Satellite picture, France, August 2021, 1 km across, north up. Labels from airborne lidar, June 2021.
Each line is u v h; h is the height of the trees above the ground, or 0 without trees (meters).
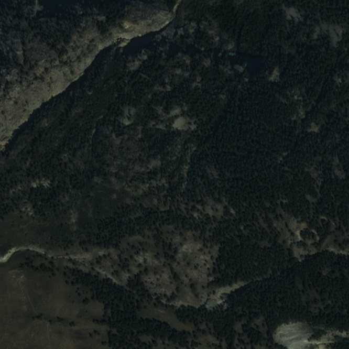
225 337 20
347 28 6
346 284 18
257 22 6
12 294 0
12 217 0
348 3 9
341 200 25
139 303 22
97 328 0
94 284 21
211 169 10
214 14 14
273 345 16
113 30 0
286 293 19
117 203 0
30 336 0
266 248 15
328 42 10
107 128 6
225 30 6
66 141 7
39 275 0
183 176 7
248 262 22
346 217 25
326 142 15
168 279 0
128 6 6
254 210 19
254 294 28
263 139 17
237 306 19
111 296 24
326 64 18
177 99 9
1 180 12
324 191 26
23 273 0
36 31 11
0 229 0
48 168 7
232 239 24
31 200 13
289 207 24
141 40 0
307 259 27
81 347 0
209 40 11
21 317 0
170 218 20
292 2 12
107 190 0
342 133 22
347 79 6
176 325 0
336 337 9
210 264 0
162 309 0
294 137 20
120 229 12
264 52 15
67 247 6
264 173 12
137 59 7
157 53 9
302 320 22
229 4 15
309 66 27
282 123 21
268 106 25
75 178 13
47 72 12
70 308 0
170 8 7
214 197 16
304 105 7
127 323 27
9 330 0
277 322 22
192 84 7
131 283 22
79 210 0
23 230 0
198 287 0
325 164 15
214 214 0
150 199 0
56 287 0
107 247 9
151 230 13
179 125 0
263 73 10
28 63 10
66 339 0
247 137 23
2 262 0
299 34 14
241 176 13
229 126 15
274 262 28
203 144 17
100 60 7
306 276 25
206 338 0
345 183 21
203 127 8
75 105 14
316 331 9
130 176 0
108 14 12
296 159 10
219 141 19
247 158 12
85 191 0
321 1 14
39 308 0
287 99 13
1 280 0
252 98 17
